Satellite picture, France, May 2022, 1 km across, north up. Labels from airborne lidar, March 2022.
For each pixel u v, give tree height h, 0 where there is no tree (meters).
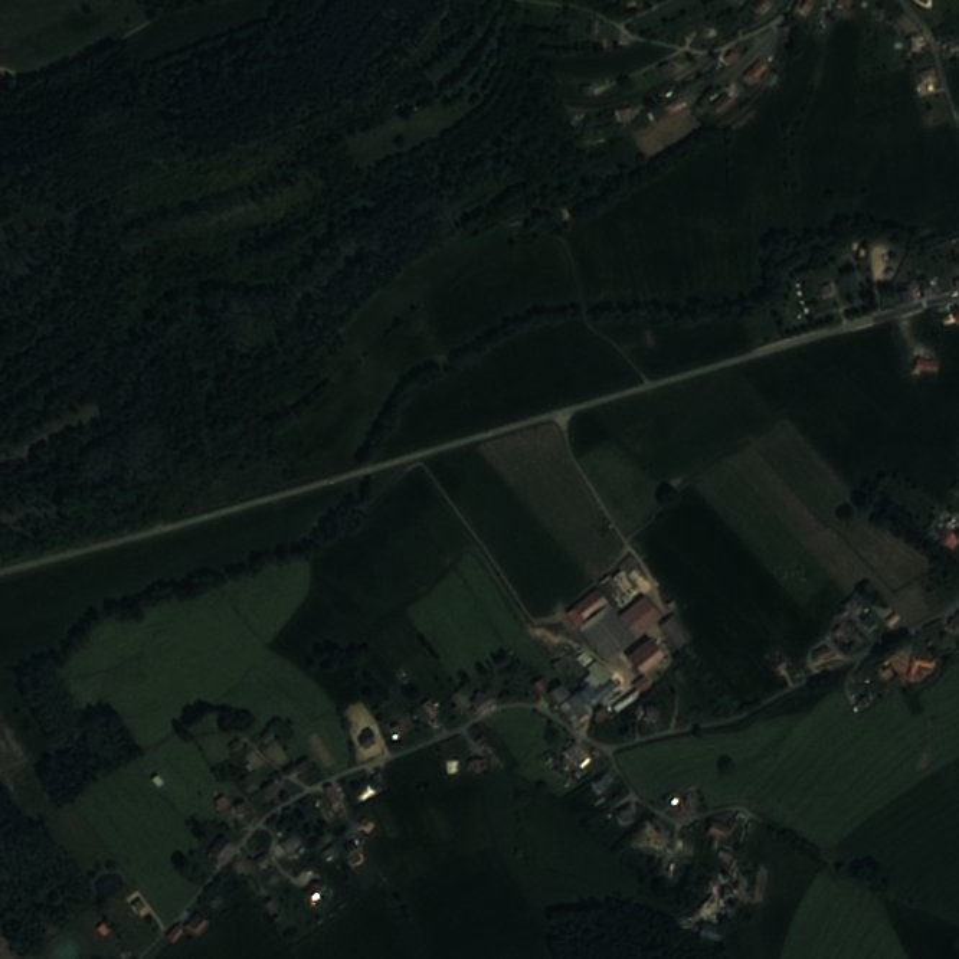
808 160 0
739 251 0
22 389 6
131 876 0
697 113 0
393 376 0
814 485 0
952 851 0
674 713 0
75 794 19
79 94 9
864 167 0
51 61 0
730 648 0
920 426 0
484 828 0
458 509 0
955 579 0
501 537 0
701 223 0
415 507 0
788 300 9
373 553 0
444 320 0
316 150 8
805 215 0
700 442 0
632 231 0
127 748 17
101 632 0
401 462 0
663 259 0
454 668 0
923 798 0
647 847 0
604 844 0
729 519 0
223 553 0
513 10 22
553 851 0
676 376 0
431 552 0
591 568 0
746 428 0
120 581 0
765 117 0
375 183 16
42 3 0
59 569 0
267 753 0
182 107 21
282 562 18
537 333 0
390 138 0
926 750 0
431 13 19
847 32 0
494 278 0
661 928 17
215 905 0
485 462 0
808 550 0
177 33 0
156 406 16
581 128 11
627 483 0
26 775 0
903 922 0
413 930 0
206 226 0
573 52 11
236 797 0
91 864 0
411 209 25
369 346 0
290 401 0
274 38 11
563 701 0
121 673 0
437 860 0
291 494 0
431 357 0
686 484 0
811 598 0
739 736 0
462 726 0
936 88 0
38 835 24
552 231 11
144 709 0
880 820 0
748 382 0
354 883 0
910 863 0
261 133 13
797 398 0
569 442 0
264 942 0
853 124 0
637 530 0
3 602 0
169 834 0
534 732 0
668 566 0
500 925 0
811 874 0
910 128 0
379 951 0
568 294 0
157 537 0
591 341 0
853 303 13
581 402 0
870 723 0
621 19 13
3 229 0
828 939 0
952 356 0
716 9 0
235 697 0
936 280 0
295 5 10
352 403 0
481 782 0
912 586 0
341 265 0
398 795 0
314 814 0
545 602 0
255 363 17
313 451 0
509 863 0
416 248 27
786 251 20
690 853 0
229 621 0
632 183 13
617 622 0
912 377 0
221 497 0
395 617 0
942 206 0
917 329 0
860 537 0
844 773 0
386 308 0
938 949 0
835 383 0
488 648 0
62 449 19
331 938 0
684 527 0
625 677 0
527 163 12
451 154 14
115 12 0
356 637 0
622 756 0
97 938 0
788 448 0
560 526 0
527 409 0
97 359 14
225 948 0
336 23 21
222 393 9
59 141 8
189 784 0
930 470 0
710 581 0
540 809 0
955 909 0
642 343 0
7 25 0
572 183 11
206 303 19
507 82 14
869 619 0
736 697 0
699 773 0
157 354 7
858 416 0
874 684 0
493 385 0
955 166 0
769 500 0
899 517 24
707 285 0
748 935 0
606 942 17
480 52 13
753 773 0
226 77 23
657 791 0
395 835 0
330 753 0
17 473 14
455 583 0
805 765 0
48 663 18
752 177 0
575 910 12
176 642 0
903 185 0
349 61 24
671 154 10
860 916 0
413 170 14
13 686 0
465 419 0
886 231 15
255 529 0
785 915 0
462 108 0
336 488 0
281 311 28
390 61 15
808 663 0
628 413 0
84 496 28
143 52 0
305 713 0
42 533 18
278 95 21
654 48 0
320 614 0
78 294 15
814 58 0
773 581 0
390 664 0
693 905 10
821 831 0
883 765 0
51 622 0
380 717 8
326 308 22
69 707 20
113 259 13
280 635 0
